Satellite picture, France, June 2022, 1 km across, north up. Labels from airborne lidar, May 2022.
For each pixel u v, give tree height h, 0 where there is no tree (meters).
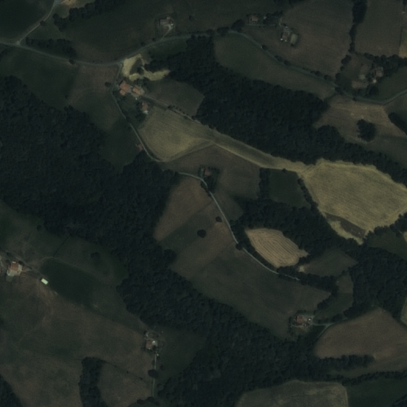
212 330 23
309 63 0
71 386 0
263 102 17
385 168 19
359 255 22
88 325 0
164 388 14
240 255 0
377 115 0
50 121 25
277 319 0
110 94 0
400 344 0
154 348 10
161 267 6
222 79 14
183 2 0
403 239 0
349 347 0
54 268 0
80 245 0
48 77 0
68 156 23
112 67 0
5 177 14
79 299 0
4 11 0
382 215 0
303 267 0
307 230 24
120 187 24
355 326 0
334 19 0
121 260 9
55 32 0
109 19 0
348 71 0
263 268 0
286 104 10
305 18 0
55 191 15
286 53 0
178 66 20
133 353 0
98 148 14
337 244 20
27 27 0
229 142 0
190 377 20
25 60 0
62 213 9
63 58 0
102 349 0
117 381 0
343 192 0
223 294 0
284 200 0
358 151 21
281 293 0
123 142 0
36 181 15
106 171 23
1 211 0
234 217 0
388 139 0
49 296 0
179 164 0
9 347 0
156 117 0
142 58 0
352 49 13
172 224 0
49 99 0
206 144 0
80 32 0
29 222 0
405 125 15
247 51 0
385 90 0
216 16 0
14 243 0
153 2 0
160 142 0
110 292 0
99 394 14
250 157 0
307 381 9
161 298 15
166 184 18
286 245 0
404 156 0
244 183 0
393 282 22
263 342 22
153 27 0
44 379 0
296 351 24
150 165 24
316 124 0
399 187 0
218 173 10
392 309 9
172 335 0
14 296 0
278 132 24
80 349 0
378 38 0
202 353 9
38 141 15
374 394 0
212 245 0
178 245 0
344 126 0
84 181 23
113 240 20
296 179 0
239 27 16
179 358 0
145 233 21
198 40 11
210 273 0
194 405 22
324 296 0
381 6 0
